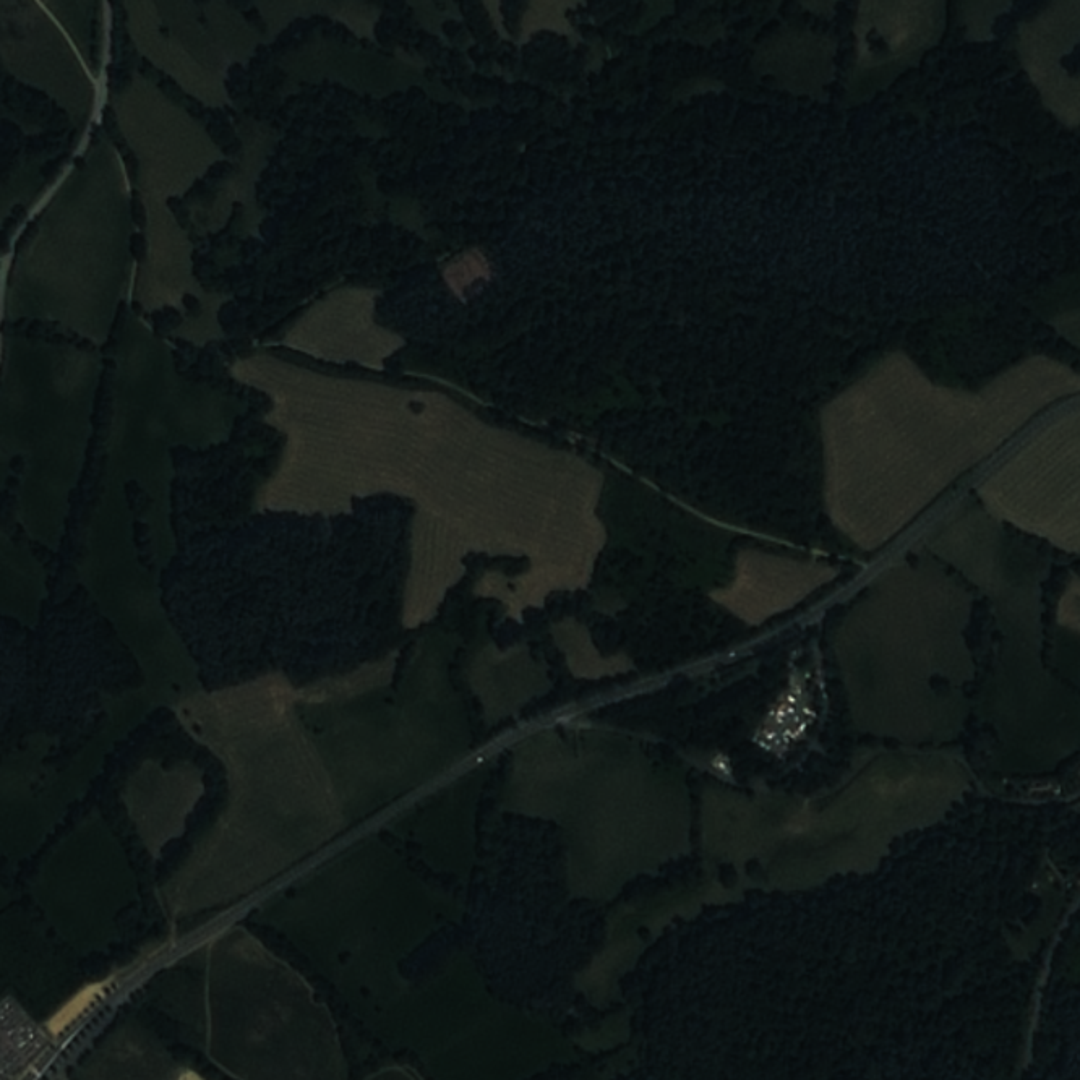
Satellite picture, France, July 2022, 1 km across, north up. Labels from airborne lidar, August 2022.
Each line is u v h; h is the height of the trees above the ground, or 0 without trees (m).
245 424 10
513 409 7
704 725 19
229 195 0
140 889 10
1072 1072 21
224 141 20
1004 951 17
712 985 23
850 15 19
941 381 0
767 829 0
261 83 6
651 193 27
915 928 21
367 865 0
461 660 8
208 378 12
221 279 10
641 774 0
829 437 0
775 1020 16
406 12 18
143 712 0
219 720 0
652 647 7
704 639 8
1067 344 16
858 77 0
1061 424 0
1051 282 15
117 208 0
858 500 0
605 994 0
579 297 10
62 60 0
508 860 12
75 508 20
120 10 16
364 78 0
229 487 29
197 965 0
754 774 9
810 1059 22
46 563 21
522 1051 0
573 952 22
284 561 25
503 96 28
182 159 0
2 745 22
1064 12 0
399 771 0
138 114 0
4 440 0
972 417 0
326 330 0
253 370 0
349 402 0
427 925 0
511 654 0
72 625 24
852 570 5
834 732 7
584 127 21
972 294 18
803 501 10
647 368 24
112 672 26
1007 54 11
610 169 14
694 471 19
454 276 0
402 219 0
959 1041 16
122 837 15
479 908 28
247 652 19
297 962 12
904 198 26
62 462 0
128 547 0
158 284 0
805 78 0
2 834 0
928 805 0
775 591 0
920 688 0
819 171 12
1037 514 0
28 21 0
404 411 0
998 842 7
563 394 12
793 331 21
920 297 16
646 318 20
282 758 0
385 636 18
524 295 6
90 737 7
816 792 14
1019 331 7
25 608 0
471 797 0
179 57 0
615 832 0
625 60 12
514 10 17
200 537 28
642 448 18
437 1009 0
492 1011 0
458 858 0
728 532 0
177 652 0
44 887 0
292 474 0
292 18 0
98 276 0
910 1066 23
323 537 18
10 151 20
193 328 0
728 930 22
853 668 0
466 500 0
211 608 27
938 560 6
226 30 0
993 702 0
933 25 0
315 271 8
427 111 20
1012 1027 13
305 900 0
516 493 0
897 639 0
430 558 0
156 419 0
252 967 0
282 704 0
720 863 0
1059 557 13
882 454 0
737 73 19
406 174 8
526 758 0
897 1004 19
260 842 0
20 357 0
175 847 17
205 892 0
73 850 0
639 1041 6
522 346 19
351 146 18
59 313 0
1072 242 27
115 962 14
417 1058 8
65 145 10
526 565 6
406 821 0
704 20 12
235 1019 0
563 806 0
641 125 21
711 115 23
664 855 0
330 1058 0
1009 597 0
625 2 20
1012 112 23
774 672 18
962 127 7
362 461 0
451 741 0
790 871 0
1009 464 0
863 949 22
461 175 23
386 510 25
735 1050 20
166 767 6
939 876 21
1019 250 32
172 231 0
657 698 9
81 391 0
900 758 0
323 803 0
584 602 18
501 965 24
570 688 17
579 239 28
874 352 16
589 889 0
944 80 8
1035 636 0
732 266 26
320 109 16
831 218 31
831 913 22
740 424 10
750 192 26
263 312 13
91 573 0
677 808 0
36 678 25
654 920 0
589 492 0
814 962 13
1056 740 0
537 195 24
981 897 15
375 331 0
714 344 18
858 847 0
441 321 24
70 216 0
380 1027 0
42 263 0
